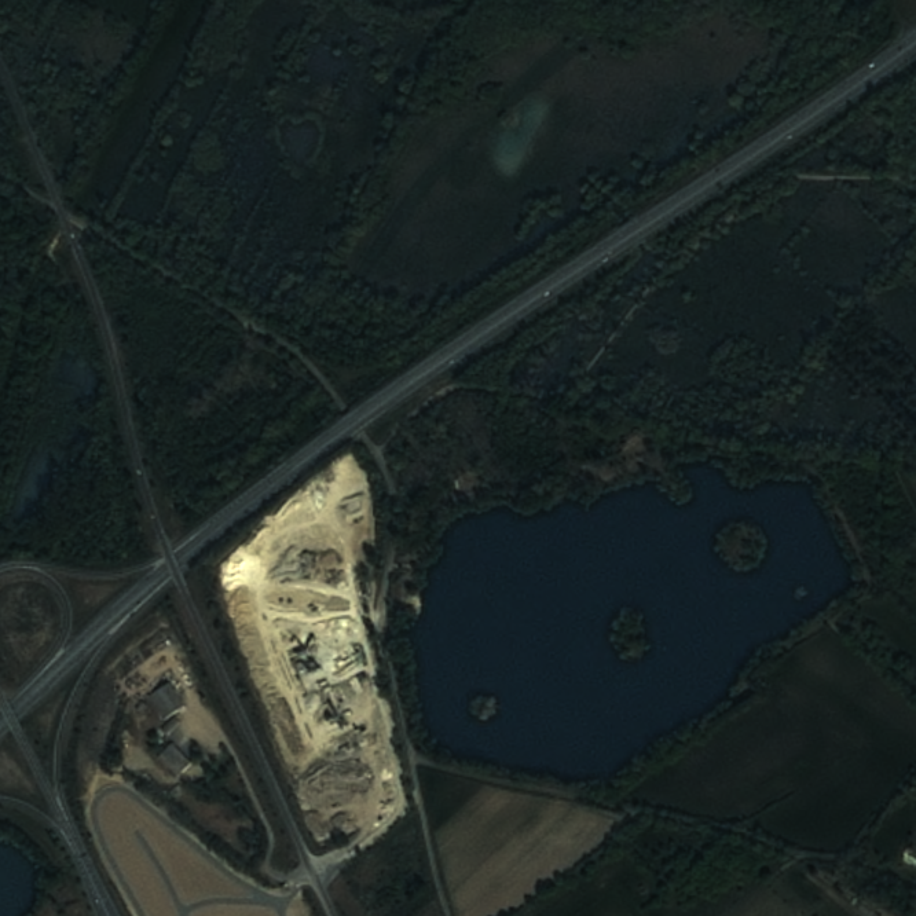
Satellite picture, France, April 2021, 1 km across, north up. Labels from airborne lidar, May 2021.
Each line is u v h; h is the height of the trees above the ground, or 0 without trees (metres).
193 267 14
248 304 20
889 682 12
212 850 12
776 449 20
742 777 0
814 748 0
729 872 16
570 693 0
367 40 0
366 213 15
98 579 0
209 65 14
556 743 0
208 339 13
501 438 14
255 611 0
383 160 19
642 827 10
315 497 0
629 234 0
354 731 0
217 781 14
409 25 12
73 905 0
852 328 21
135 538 17
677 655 0
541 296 0
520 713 0
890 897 13
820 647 0
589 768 0
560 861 0
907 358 14
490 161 0
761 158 0
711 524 0
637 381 10
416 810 9
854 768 0
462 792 0
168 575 0
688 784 0
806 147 8
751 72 9
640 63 0
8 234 26
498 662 0
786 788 0
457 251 0
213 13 16
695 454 27
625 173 0
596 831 0
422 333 17
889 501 16
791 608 0
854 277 0
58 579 0
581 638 0
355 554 0
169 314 9
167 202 7
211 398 24
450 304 14
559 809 0
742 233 0
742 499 0
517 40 9
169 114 10
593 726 0
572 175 0
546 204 15
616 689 0
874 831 6
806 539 0
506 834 0
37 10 11
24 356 10
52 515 29
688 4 15
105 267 18
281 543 0
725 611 0
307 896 7
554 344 22
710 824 7
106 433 18
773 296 0
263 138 0
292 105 0
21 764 0
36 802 0
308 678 0
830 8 22
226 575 0
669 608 0
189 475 19
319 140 0
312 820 0
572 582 0
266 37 0
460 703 0
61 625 0
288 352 11
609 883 0
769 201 15
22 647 0
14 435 13
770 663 12
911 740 0
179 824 15
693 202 0
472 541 0
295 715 0
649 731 0
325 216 0
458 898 0
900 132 13
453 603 0
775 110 15
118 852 0
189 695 0
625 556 0
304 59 9
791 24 17
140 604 0
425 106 11
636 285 11
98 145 15
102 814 0
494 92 10
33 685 0
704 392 8
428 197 0
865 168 13
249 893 0
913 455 21
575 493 15
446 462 14
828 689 0
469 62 19
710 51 0
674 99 0
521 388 27
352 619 0
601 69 0
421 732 20
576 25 12
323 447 0
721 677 0
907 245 14
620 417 17
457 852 0
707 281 0
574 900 0
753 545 11
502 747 0
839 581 0
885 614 0
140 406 13
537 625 0
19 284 12
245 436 11
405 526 15
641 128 0
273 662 0
